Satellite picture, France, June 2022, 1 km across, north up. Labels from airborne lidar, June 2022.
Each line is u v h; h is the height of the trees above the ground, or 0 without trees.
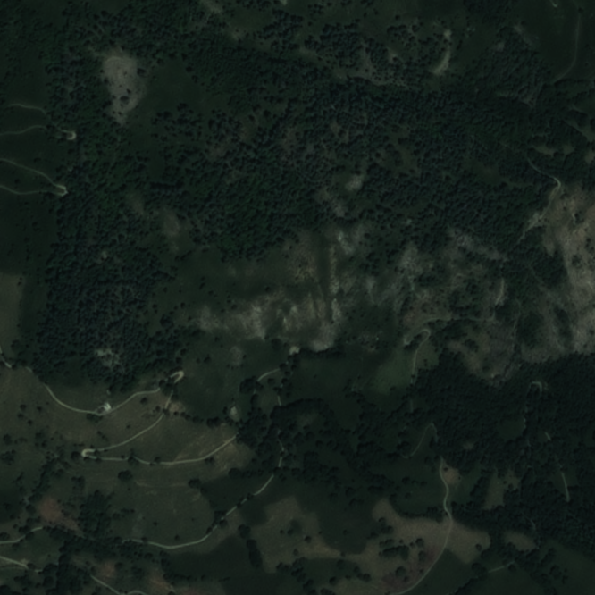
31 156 0
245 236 13
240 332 0
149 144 0
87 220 22
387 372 0
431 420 22
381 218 19
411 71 20
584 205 0
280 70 9
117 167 13
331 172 20
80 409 0
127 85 0
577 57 0
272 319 0
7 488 0
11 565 0
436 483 0
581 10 10
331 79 10
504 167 16
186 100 0
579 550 20
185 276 0
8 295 0
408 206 16
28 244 11
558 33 0
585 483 18
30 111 0
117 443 0
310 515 0
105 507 11
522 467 18
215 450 0
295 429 20
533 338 12
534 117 17
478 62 12
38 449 10
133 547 11
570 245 0
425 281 14
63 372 13
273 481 0
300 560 12
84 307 35
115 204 13
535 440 21
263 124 0
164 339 12
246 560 0
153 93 0
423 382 16
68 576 20
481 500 18
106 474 0
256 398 14
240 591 0
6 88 10
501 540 14
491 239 17
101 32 24
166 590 0
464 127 16
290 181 13
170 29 27
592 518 25
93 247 14
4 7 8
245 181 15
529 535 15
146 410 0
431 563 0
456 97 18
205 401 0
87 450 0
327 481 9
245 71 11
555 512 22
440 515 16
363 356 0
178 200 16
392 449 0
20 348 14
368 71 14
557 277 18
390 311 7
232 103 11
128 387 18
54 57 11
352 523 0
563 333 7
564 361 13
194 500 0
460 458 10
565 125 22
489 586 0
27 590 12
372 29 0
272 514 0
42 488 9
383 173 19
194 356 0
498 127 13
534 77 16
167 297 0
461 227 19
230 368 6
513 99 8
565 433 21
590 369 12
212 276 0
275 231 23
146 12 23
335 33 18
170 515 0
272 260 0
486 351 0
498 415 12
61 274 15
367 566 0
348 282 0
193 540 0
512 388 13
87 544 17
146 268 19
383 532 9
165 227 0
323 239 0
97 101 13
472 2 16
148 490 0
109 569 0
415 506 0
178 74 0
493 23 12
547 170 15
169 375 9
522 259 17
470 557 0
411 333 0
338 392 0
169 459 0
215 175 27
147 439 0
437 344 9
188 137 15
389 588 0
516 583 0
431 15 0
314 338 0
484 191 25
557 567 13
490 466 24
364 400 19
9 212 0
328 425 18
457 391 24
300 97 10
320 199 0
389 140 25
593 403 25
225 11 6
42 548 0
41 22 7
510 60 13
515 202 15
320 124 28
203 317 0
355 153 22
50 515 0
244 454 0
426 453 0
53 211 10
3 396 0
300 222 22
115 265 20
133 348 15
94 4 0
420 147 23
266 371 0
